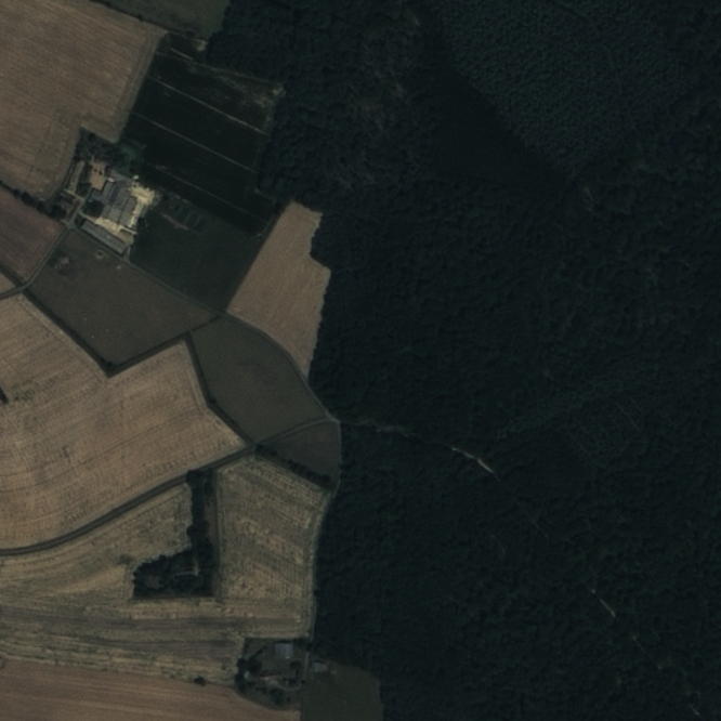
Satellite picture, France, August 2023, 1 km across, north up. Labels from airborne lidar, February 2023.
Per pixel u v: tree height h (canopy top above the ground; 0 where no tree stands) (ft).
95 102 0
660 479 68
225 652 0
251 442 0
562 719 80
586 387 57
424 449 78
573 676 73
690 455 76
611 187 42
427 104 66
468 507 77
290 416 0
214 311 0
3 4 0
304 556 0
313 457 0
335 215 57
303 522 0
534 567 63
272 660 0
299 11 20
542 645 70
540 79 54
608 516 70
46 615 0
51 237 0
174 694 0
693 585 72
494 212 68
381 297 66
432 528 82
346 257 71
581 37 56
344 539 66
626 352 52
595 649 56
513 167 49
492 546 78
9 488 0
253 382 0
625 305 72
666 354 64
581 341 77
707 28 76
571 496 24
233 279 0
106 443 0
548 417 54
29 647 0
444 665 68
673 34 71
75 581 0
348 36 63
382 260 71
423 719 58
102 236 0
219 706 0
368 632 56
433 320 66
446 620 78
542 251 62
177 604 0
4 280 0
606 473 56
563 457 39
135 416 0
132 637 0
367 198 70
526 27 62
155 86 0
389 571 92
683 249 59
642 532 69
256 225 0
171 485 0
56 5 0
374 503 49
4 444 0
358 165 60
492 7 57
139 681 0
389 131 58
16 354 0
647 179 66
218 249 0
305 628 0
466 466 79
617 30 55
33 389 0
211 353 0
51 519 0
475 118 58
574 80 61
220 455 0
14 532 0
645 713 74
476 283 66
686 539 87
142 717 0
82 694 0
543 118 64
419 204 76
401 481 79
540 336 74
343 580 74
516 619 31
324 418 0
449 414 64
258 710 0
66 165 0
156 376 0
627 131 65
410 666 72
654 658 61
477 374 58
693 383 57
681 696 69
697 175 87
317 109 72
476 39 65
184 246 0
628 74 51
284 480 0
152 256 0
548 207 78
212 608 0
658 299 86
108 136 0
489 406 67
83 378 0
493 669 55
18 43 0
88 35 0
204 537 24
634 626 70
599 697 73
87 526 0
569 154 58
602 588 62
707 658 70
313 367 25
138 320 0
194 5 0
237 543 0
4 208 0
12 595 0
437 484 73
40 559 0
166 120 0
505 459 58
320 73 65
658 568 78
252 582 0
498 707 39
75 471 0
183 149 0
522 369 53
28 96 0
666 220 69
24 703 0
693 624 72
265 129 0
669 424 43
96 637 0
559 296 77
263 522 0
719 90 97
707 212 68
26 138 0
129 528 0
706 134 72
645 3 60
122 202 0
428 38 68
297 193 32
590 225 62
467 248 64
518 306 76
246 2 52
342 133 53
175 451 0
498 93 59
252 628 0
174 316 0
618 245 83
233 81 0
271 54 58
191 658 0
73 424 0
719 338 68
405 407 71
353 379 57
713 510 82
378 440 71
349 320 73
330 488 23
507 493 60
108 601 0
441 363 64
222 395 0
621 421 61
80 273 0
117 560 0
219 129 0
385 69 48
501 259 67
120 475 0
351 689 0
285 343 0
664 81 71
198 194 0
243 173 0
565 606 40
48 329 0
